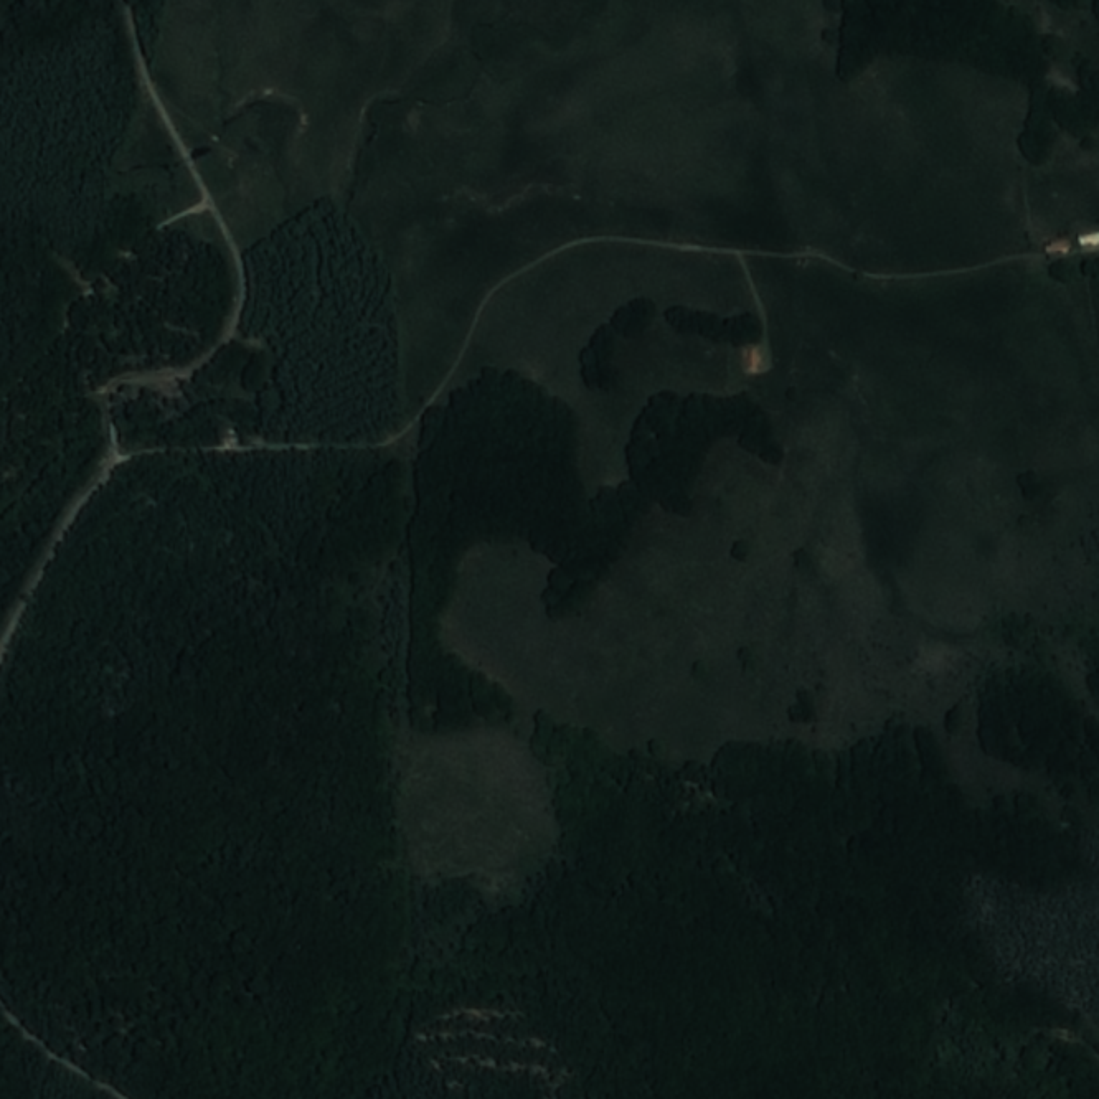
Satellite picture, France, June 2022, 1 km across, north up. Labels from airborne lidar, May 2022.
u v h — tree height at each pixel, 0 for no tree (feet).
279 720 56
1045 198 0
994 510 0
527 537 40
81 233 53
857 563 0
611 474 0
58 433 35
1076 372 0
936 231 0
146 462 19
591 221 0
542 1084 45
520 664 0
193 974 41
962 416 0
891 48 39
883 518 0
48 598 22
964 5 43
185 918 58
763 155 0
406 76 0
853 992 42
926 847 45
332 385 50
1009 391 0
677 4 0
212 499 37
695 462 47
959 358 0
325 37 0
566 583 42
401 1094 50
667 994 44
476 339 0
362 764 58
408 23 0
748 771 51
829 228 0
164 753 66
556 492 52
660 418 52
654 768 46
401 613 40
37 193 41
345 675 44
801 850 47
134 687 45
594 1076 35
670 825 50
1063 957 34
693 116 0
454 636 0
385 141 0
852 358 0
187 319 47
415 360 0
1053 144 28
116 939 57
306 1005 57
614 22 0
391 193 0
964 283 0
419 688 53
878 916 52
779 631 0
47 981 60
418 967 40
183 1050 59
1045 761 37
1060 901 31
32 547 27
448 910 39
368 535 65
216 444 55
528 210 0
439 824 0
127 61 59
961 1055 19
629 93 0
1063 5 32
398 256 0
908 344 0
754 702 0
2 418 42
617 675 0
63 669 37
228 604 48
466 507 50
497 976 30
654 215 0
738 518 0
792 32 0
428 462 50
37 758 26
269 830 52
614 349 39
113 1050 70
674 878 49
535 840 0
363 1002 50
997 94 0
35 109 60
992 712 46
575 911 46
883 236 0
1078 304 0
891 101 0
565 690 0
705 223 0
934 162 0
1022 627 28
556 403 40
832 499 0
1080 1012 36
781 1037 53
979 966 50
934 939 45
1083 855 31
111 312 54
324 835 79
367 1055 55
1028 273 0
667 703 0
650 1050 28
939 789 39
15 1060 52
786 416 0
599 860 52
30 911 52
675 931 46
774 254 0
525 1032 40
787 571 0
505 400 54
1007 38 41
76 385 63
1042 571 0
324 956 53
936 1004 51
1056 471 0
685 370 0
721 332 44
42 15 75
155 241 43
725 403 42
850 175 0
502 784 0
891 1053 51
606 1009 47
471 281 0
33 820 61
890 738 26
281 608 69
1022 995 50
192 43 0
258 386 52
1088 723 25
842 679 0
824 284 0
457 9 0
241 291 0
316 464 47
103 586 17
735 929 44
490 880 0
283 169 0
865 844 51
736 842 51
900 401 0
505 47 0
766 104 0
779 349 0
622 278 0
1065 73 0
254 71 0
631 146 0
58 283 53
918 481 0
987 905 34
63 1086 59
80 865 48
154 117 0
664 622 0
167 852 56
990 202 0
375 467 42
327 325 45
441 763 0
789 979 49
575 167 0
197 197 0
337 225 61
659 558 0
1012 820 31
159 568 23
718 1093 44
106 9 53
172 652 30
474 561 0
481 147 0
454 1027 38
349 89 0
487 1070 35
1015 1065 28
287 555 38
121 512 30
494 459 59
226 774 52
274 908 58
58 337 37
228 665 49
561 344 0
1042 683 25
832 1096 53
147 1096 57
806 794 43
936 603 0
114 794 45
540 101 0
